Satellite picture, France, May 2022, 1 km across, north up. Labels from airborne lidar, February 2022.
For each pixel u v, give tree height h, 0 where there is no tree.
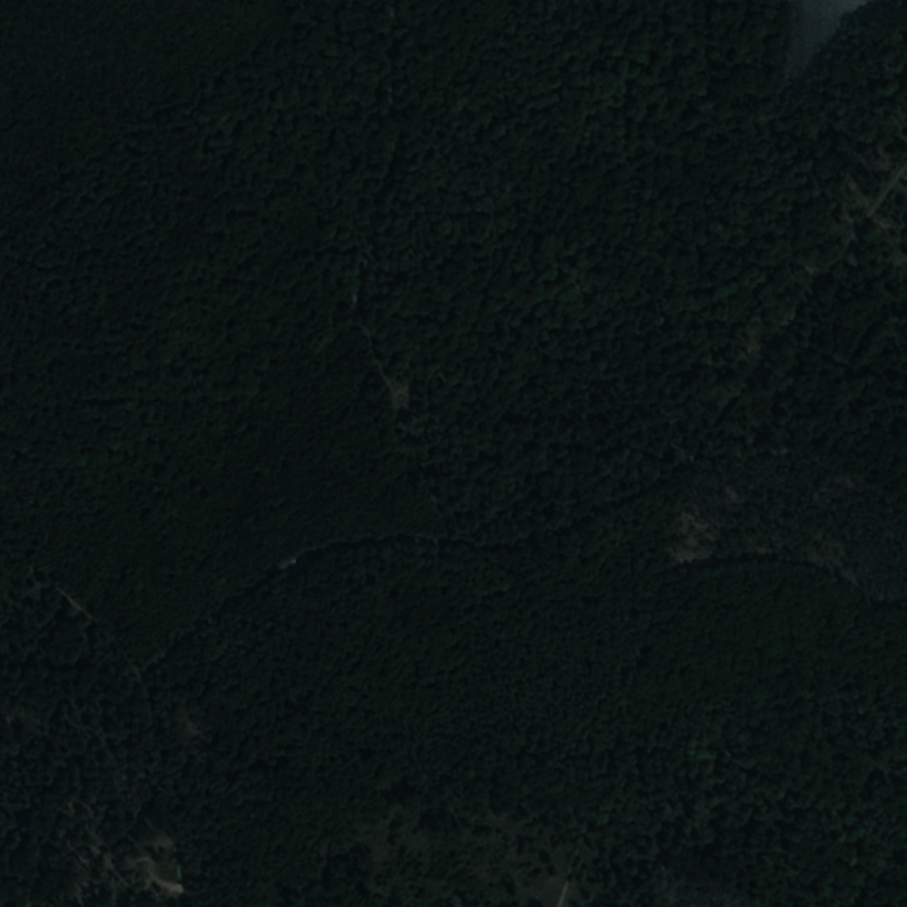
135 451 21
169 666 11
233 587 16
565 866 0
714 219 27
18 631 32
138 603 18
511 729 25
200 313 25
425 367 30
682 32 28
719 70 32
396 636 29
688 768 30
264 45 25
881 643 21
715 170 26
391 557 28
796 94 23
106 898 32
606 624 27
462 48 24
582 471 30
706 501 23
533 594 29
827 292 27
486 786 27
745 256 25
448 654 28
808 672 22
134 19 14
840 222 29
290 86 26
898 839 31
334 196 22
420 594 29
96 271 27
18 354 24
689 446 26
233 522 15
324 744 30
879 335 29
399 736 20
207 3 15
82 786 29
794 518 20
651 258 29
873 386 31
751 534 22
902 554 23
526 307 25
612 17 25
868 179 29
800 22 0
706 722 30
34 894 28
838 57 27
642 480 27
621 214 28
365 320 25
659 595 22
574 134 27
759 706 28
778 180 31
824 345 24
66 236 29
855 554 23
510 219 23
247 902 29
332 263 27
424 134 25
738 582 23
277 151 26
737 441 22
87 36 15
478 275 33
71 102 21
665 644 25
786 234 26
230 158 26
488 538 24
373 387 21
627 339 28
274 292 22
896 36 25
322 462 16
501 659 29
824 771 31
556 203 21
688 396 29
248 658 30
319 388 17
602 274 32
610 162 29
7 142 16
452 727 24
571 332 30
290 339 21
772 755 33
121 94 16
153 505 20
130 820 20
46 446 25
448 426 29
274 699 25
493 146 26
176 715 27
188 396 27
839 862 34
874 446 27
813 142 31
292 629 27
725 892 24
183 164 30
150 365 26
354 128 24
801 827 32
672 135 26
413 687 27
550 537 26
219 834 33
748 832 30
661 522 26
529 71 25
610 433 19
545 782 29
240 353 22
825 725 28
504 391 30
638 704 27
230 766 22
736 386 23
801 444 23
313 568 24
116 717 33
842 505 21
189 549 16
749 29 30
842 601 23
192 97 24
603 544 28
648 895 30
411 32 27
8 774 28
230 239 28
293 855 28
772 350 27
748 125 28
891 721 27
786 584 22
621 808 34
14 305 26
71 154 21
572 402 30
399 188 27
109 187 29
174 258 29
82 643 31
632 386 28
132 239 28
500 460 30
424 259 30
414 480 27
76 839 28
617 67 28
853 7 0
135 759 31
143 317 24
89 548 18
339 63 29
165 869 0
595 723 27
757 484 21
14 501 25
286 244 19
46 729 10
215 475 9
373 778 29
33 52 15
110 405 30
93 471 26
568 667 25
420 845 0
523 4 22
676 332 32
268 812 23
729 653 28
